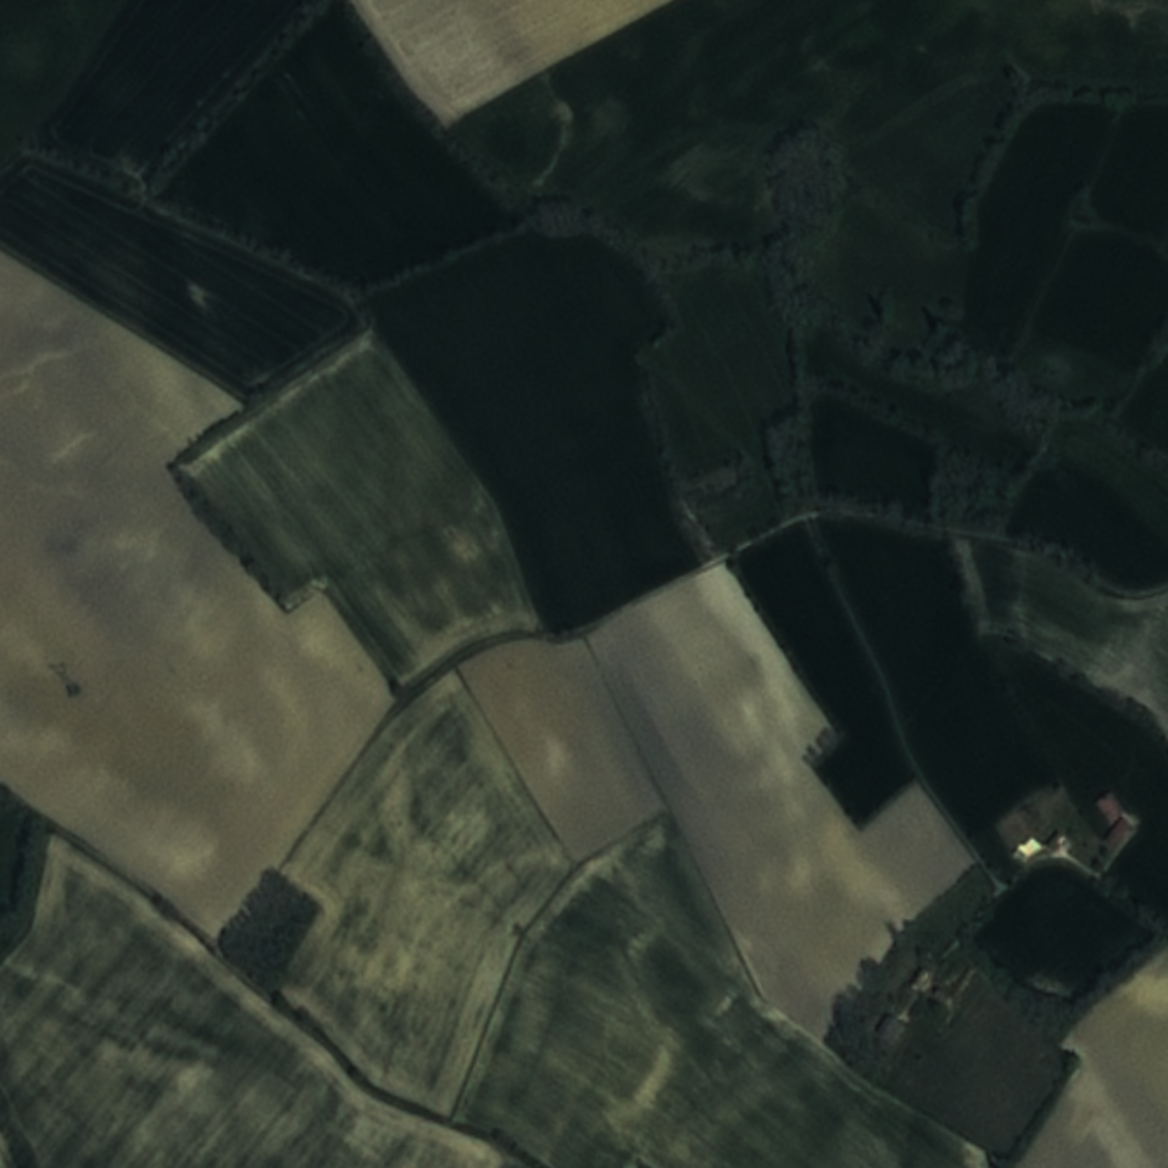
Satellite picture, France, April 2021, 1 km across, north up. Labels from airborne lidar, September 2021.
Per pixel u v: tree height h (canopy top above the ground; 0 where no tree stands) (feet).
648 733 0
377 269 0
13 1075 0
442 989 0
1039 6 0
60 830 0
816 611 0
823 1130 0
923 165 0
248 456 0
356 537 0
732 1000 0
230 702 0
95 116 0
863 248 0
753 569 0
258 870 0
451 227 0
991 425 0
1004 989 40
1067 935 0
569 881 0
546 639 0
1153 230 0
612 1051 0
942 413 0
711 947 0
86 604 0
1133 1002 0
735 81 0
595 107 0
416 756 0
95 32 0
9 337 0
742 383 0
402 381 0
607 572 0
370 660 0
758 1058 0
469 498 0
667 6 0
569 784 0
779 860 0
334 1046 0
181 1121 0
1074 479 0
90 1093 0
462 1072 0
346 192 0
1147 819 0
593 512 0
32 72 0
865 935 0
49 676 0
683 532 0
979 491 40
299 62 0
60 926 0
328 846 0
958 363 101
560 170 0
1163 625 0
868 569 0
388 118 0
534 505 0
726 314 0
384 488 0
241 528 0
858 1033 71
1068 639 0
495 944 0
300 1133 0
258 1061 0
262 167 0
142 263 0
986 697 0
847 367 0
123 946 0
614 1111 0
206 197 0
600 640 0
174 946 0
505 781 0
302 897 45
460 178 0
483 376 0
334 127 0
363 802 0
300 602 0
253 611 0
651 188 0
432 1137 0
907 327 0
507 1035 0
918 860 0
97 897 0
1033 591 0
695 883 0
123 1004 0
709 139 0
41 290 0
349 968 0
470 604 0
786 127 0
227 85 0
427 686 0
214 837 0
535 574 0
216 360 0
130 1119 0
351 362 0
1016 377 56
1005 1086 0
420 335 0
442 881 0
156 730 0
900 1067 0
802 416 56
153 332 0
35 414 0
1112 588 0
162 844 0
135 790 0
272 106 0
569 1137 0
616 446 0
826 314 47
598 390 0
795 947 0
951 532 35
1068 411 56
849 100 0
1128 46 0
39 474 0
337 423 0
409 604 0
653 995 0
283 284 0
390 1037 0
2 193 0
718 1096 0
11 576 0
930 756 0
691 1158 0
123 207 0
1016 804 0
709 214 0
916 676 0
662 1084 0
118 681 0
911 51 0
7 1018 0
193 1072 0
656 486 0
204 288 0
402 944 0
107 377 0
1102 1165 0
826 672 0
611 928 0
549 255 0
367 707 0
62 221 0
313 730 0
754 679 0
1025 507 0
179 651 0
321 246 0
